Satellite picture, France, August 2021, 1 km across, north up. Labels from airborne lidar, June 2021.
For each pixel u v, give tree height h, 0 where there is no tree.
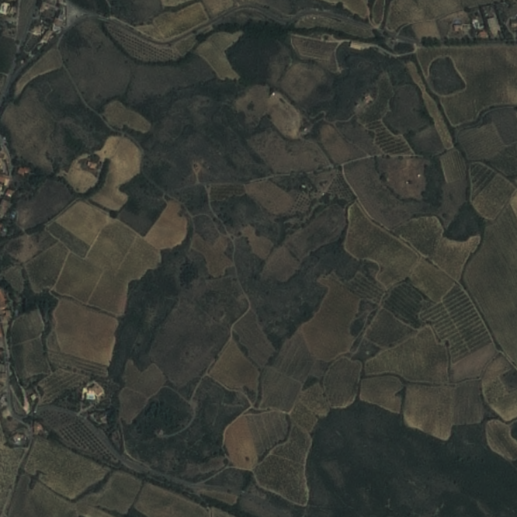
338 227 0
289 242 0
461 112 0
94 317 0
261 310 0
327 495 0
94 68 0
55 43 0
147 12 0
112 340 0
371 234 0
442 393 0
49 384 0
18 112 0
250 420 0
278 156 0
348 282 0
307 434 0
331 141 0
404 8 0
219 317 0
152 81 0
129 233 0
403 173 0
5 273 0
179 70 0
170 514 0
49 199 0
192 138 0
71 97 0
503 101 0
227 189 0
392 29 0
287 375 0
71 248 0
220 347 0
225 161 0
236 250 0
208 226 0
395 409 0
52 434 8
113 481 0
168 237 0
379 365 0
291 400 0
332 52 0
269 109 0
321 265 0
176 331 0
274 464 0
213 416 0
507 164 0
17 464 0
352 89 0
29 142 0
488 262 0
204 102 0
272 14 0
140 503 0
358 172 0
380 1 0
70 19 0
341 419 0
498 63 0
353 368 0
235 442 0
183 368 0
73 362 0
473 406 0
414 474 0
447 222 0
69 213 0
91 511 0
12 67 0
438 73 0
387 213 0
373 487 0
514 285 0
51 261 0
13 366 7
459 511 0
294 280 0
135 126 0
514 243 0
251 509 0
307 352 0
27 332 0
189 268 7
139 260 0
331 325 0
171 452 0
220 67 0
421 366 0
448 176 0
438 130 0
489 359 0
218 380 0
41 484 0
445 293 0
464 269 0
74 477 0
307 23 0
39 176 9
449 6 0
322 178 0
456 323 0
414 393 0
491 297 0
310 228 0
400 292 0
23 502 0
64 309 0
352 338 0
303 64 0
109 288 0
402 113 0
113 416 12
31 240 0
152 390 0
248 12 0
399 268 0
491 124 0
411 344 0
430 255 0
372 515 0
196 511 0
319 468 0
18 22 0
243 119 0
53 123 0
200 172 0
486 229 0
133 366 0
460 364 0
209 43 0
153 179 0
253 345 0
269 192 0
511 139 0
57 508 0
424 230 0
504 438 0
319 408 0
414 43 0
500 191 0
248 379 0
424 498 0
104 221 0
